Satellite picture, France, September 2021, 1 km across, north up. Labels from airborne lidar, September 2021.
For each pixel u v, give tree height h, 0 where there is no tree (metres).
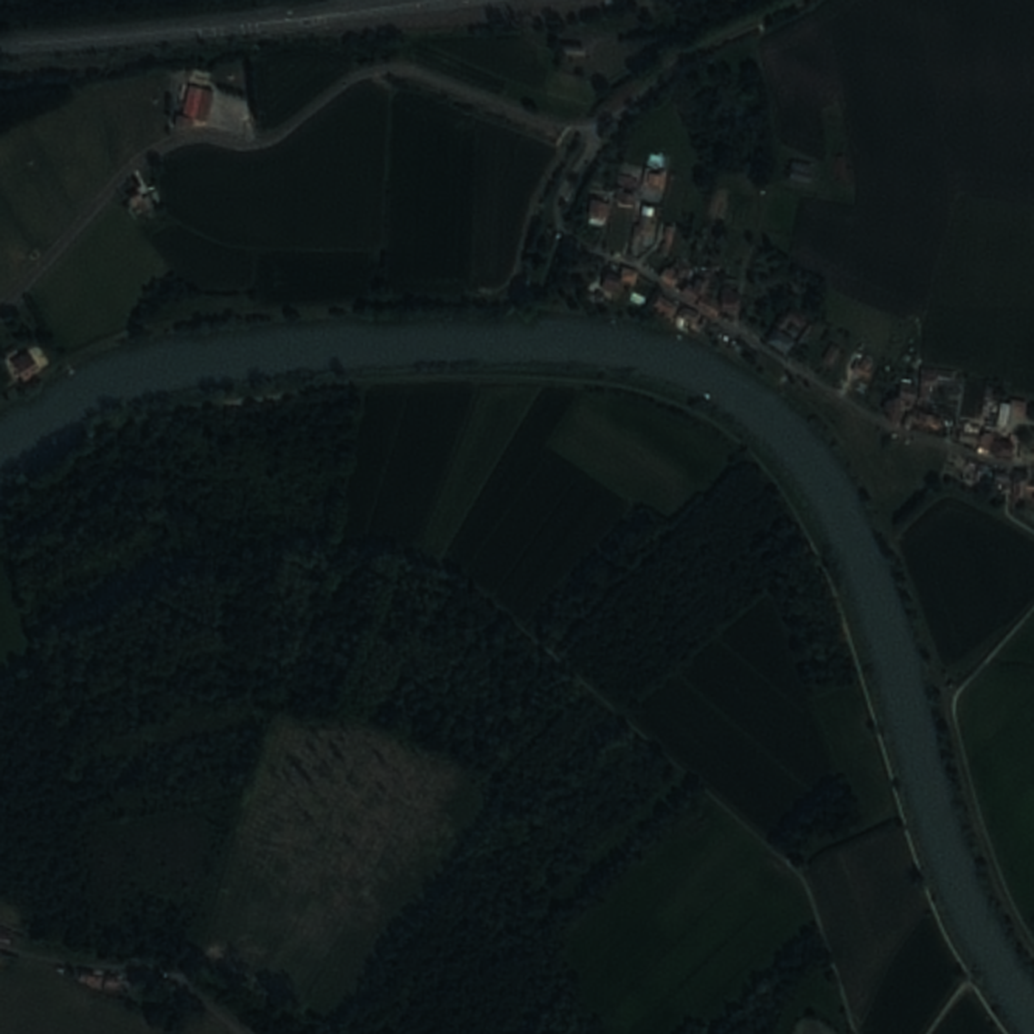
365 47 6
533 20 13
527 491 0
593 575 16
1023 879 0
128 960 8
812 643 21
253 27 0
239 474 6
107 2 17
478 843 16
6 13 16
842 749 0
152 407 12
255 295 6
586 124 0
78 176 0
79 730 18
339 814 0
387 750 0
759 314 8
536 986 17
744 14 18
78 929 18
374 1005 21
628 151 6
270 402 10
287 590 32
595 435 0
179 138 0
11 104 20
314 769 0
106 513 26
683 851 0
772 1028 14
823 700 0
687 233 7
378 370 0
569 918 16
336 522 20
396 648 28
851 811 23
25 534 25
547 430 0
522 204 0
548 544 0
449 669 13
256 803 0
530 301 26
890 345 0
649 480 0
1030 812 0
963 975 12
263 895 0
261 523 10
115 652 31
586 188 7
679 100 16
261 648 19
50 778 20
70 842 12
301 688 18
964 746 0
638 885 0
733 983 0
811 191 0
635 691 11
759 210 0
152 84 0
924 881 16
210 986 18
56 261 0
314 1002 0
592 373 0
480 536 0
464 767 20
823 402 0
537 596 0
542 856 16
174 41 0
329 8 0
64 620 19
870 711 0
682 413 9
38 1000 0
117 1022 0
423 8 0
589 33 0
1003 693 0
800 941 7
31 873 13
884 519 0
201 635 34
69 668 27
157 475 8
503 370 0
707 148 13
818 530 0
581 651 11
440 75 0
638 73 19
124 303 0
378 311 13
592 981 0
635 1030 0
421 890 0
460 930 19
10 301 0
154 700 13
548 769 9
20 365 0
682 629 11
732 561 9
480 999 21
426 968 18
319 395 12
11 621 0
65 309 0
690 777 0
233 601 24
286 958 0
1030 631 0
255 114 18
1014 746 0
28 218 0
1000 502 7
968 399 0
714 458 0
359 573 20
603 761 12
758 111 12
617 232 0
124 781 13
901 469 0
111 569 0
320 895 0
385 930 0
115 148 0
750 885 0
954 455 0
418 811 0
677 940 0
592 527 0
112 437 10
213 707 14
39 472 24
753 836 0
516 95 0
